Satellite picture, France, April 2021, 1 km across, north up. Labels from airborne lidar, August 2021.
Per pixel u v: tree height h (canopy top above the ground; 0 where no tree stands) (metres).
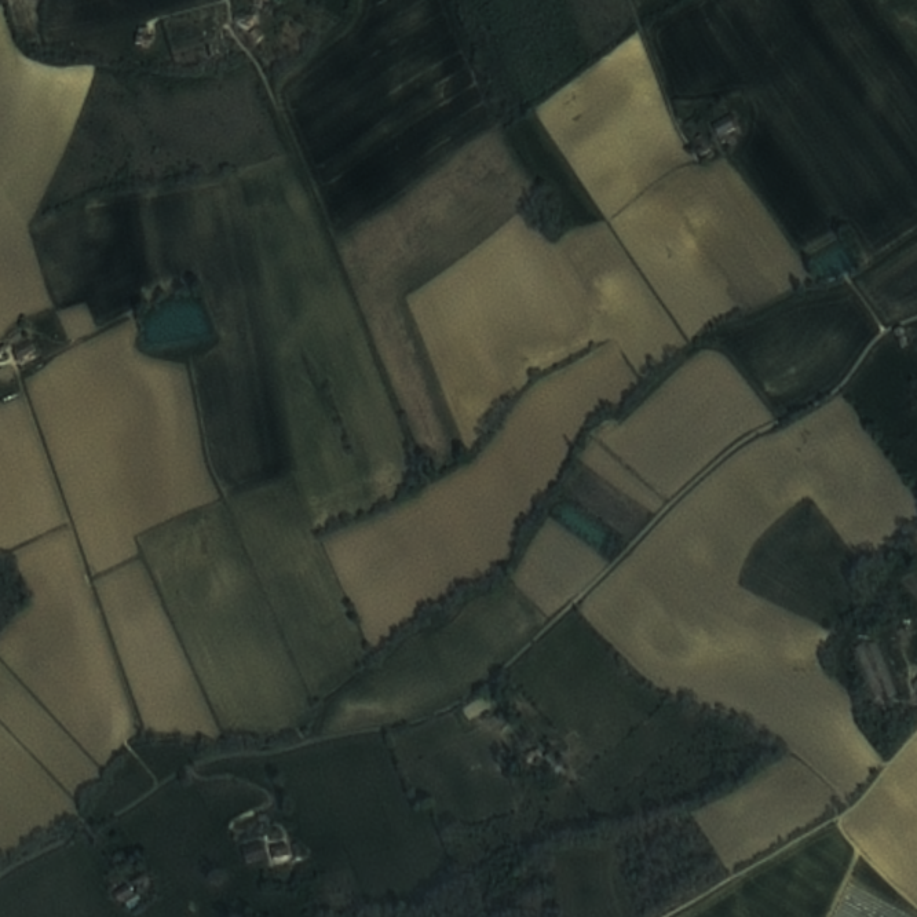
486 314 0
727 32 0
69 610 0
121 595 0
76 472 0
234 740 17
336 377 0
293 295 0
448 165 0
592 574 0
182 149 0
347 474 0
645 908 7
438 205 0
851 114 0
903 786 0
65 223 0
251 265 0
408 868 0
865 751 0
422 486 28
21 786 0
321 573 0
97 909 0
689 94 0
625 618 0
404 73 0
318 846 0
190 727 0
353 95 0
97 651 0
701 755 7
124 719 0
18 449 0
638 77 0
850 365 0
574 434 0
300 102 0
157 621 0
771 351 0
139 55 0
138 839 0
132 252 0
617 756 0
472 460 19
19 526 0
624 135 0
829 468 0
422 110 0
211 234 0
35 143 0
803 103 0
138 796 0
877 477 0
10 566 18
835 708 0
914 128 0
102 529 0
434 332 0
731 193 0
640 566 0
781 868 0
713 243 0
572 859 0
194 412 0
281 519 0
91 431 0
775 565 0
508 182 0
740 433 0
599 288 0
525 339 0
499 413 17
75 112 0
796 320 0
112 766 11
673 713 0
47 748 0
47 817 0
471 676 0
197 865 0
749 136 0
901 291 0
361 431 0
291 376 0
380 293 0
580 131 0
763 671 0
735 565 0
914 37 0
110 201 0
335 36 0
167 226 0
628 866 9
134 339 0
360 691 0
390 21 0
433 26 0
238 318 0
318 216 0
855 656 6
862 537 0
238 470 0
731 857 0
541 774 7
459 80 0
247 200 0
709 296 0
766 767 14
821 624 0
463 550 0
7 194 0
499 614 0
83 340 0
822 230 0
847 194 0
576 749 0
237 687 0
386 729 7
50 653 0
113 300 0
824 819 6
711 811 0
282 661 0
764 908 0
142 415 0
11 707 0
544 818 7
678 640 0
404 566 0
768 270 0
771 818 0
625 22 0
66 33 0
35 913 0
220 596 0
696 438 0
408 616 0
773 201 0
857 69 0
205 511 0
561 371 13
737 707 0
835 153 0
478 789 0
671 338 0
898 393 0
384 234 0
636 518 0
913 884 0
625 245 0
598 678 0
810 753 0
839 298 0
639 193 0
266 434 0
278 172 0
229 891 0
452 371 0
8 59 0
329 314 0
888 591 11
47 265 0
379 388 0
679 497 0
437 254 0
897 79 0
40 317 0
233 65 11
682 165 0
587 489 0
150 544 0
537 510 15
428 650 0
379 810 0
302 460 0
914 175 0
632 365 0
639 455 0
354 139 0
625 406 11
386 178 0
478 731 0
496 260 0
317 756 0
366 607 0
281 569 0
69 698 0
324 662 0
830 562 0
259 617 0
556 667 0
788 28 0
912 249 0
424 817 0
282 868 0
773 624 0
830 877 0
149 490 0
